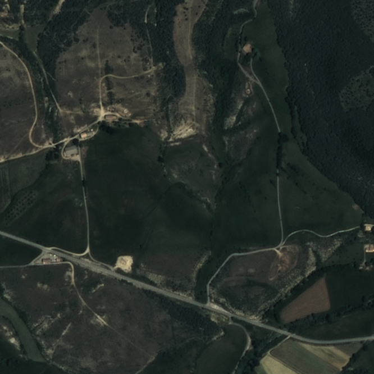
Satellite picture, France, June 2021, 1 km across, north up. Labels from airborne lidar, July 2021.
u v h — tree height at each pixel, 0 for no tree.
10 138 0
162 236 0
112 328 0
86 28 0
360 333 0
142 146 0
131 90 0
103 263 0
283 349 0
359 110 10
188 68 0
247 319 0
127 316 0
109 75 0
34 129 0
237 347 0
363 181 7
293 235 0
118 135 0
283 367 0
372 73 12
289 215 0
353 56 13
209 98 0
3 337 0
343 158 9
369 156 10
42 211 0
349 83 13
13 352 0
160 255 0
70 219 0
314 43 10
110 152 0
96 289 0
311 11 7
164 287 0
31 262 0
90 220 0
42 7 7
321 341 0
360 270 11
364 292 0
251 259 0
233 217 0
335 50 10
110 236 0
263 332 0
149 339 0
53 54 6
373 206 11
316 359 0
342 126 10
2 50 0
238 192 0
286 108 0
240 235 0
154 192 0
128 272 0
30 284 0
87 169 0
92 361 0
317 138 11
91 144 0
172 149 0
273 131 0
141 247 7
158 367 0
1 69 0
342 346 0
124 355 0
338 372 0
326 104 9
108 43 0
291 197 0
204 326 7
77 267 0
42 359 0
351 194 11
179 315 7
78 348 0
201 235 0
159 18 10
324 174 11
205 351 0
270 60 0
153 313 0
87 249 0
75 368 0
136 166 0
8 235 0
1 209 0
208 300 0
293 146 0
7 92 0
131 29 0
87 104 0
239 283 0
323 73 9
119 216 0
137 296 0
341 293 0
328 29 9
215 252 0
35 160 0
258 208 0
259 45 0
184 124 0
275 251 0
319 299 0
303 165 0
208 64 17
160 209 0
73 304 0
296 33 10
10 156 0
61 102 0
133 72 0
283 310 0
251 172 0
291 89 7
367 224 0
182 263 0
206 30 10
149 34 9
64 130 0
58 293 0
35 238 0
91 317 0
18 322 0
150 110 0
